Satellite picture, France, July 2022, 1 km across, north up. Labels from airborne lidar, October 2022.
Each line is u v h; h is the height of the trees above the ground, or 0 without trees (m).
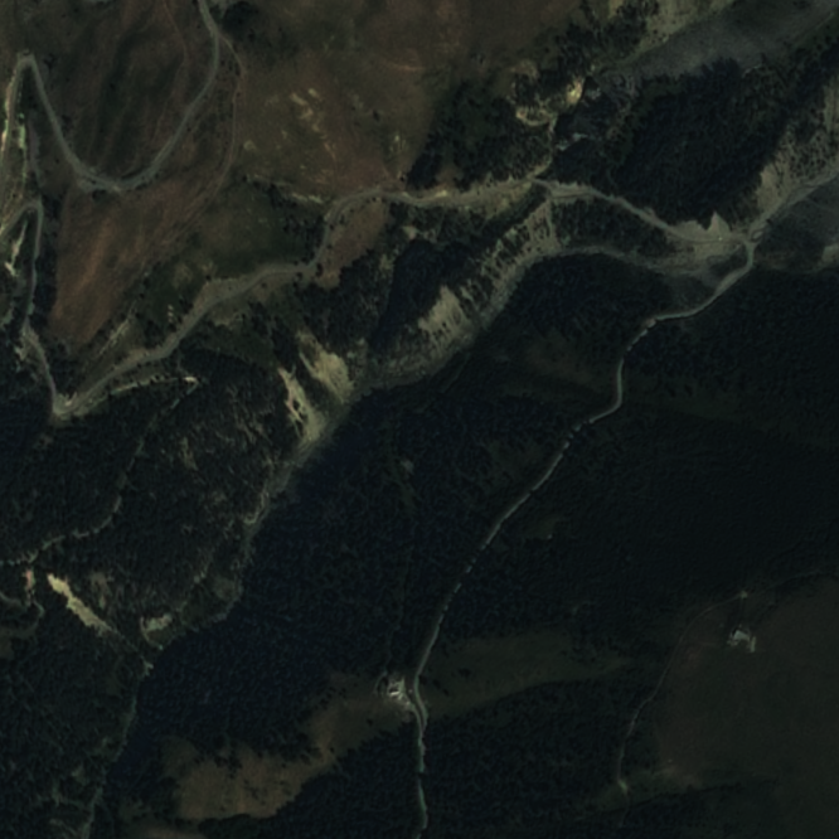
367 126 0
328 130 0
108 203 0
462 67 0
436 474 24
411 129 0
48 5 0
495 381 6
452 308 0
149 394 7
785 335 5
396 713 0
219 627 10
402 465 10
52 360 11
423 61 0
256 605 9
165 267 0
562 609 6
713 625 0
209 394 14
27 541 11
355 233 0
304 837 17
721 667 0
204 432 8
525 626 9
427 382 7
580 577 6
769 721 0
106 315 0
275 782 0
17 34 0
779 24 0
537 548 21
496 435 26
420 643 7
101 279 0
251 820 9
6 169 0
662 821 10
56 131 0
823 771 0
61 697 13
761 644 0
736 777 0
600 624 6
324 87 0
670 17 0
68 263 0
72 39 0
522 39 0
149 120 0
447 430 15
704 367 21
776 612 0
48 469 16
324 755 0
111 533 12
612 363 6
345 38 0
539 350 0
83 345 0
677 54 0
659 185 13
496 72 0
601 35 10
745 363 5
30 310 0
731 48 0
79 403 0
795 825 0
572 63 10
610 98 8
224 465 14
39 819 14
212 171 0
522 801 9
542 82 12
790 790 0
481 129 0
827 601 0
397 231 12
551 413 16
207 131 0
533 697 8
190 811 0
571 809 6
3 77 0
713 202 8
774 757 0
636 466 7
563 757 8
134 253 0
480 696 0
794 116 9
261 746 21
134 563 16
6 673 18
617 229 15
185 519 17
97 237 0
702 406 0
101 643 11
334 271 0
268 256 0
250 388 9
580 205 7
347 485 17
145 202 0
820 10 0
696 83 10
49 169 0
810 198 0
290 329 10
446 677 0
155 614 6
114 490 15
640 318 10
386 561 8
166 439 8
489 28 0
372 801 16
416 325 10
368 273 13
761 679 0
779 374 8
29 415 9
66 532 10
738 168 9
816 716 0
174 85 0
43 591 8
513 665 0
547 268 8
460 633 17
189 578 12
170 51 0
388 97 0
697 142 15
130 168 0
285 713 17
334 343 16
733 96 12
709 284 0
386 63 0
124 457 11
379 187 0
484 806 12
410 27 0
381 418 26
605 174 11
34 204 0
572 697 10
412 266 8
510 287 0
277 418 11
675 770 0
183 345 6
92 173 0
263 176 0
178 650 13
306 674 24
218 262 0
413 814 12
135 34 0
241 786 0
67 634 16
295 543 16
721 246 0
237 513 7
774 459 6
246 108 0
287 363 13
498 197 0
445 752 10
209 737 18
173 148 0
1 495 10
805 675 0
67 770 14
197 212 0
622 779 0
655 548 6
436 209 6
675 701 0
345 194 0
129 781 23
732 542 6
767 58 8
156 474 13
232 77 0
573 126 6
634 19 9
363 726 0
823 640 0
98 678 19
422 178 16
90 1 0
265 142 0
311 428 0
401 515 10
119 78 0
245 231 0
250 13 11
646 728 0
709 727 0
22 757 23
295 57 0
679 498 6
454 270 15
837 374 6
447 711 0
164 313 0
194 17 0
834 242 0
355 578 17
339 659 23
